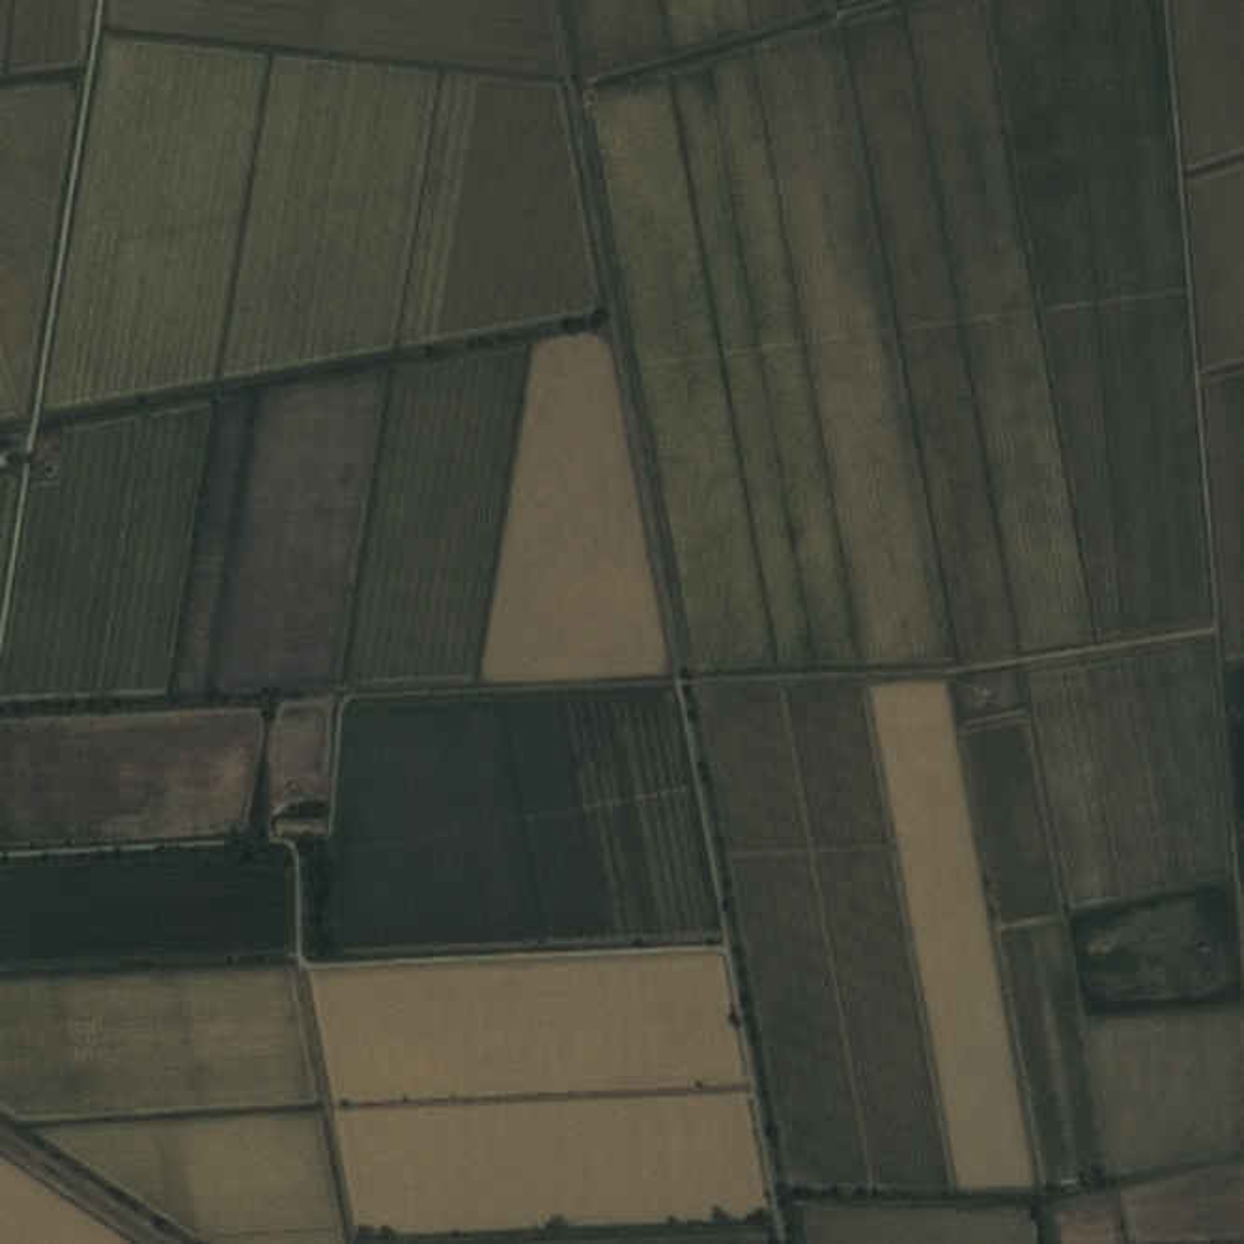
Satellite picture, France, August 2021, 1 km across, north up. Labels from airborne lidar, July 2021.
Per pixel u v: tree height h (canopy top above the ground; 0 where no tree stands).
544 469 0
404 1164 0
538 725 0
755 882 0
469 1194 0
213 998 0
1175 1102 0
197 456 0
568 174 0
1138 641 0
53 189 0
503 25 0
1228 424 0
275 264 0
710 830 0
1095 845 0
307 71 0
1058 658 0
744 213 0
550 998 0
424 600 0
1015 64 0
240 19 0
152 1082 0
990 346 0
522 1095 5
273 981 0
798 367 0
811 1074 0
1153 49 0
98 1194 0
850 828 0
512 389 0
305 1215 0
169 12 0
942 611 0
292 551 0
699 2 0
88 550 0
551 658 0
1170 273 0
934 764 0
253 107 0
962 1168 0
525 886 0
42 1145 9
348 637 0
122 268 0
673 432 0
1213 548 0
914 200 0
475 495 0
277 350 0
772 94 0
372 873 0
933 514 0
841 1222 0
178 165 0
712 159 0
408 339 0
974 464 0
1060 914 0
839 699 0
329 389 0
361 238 0
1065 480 0
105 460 0
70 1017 0
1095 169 0
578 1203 0
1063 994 0
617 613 0
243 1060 0
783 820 0
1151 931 0
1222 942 0
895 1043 0
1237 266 0
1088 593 0
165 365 0
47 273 0
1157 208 0
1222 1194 0
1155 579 0
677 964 0
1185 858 0
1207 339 0
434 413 0
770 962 0
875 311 0
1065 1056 0
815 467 0
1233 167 0
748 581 0
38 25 0
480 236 0
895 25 0
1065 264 0
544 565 0
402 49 0
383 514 0
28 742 0
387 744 0
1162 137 0
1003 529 0
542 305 0
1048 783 0
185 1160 0
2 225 0
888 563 0
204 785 0
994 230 0
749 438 0
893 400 0
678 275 0
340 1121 0
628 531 0
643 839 0
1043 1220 13
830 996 0
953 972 0
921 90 0
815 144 0
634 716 0
